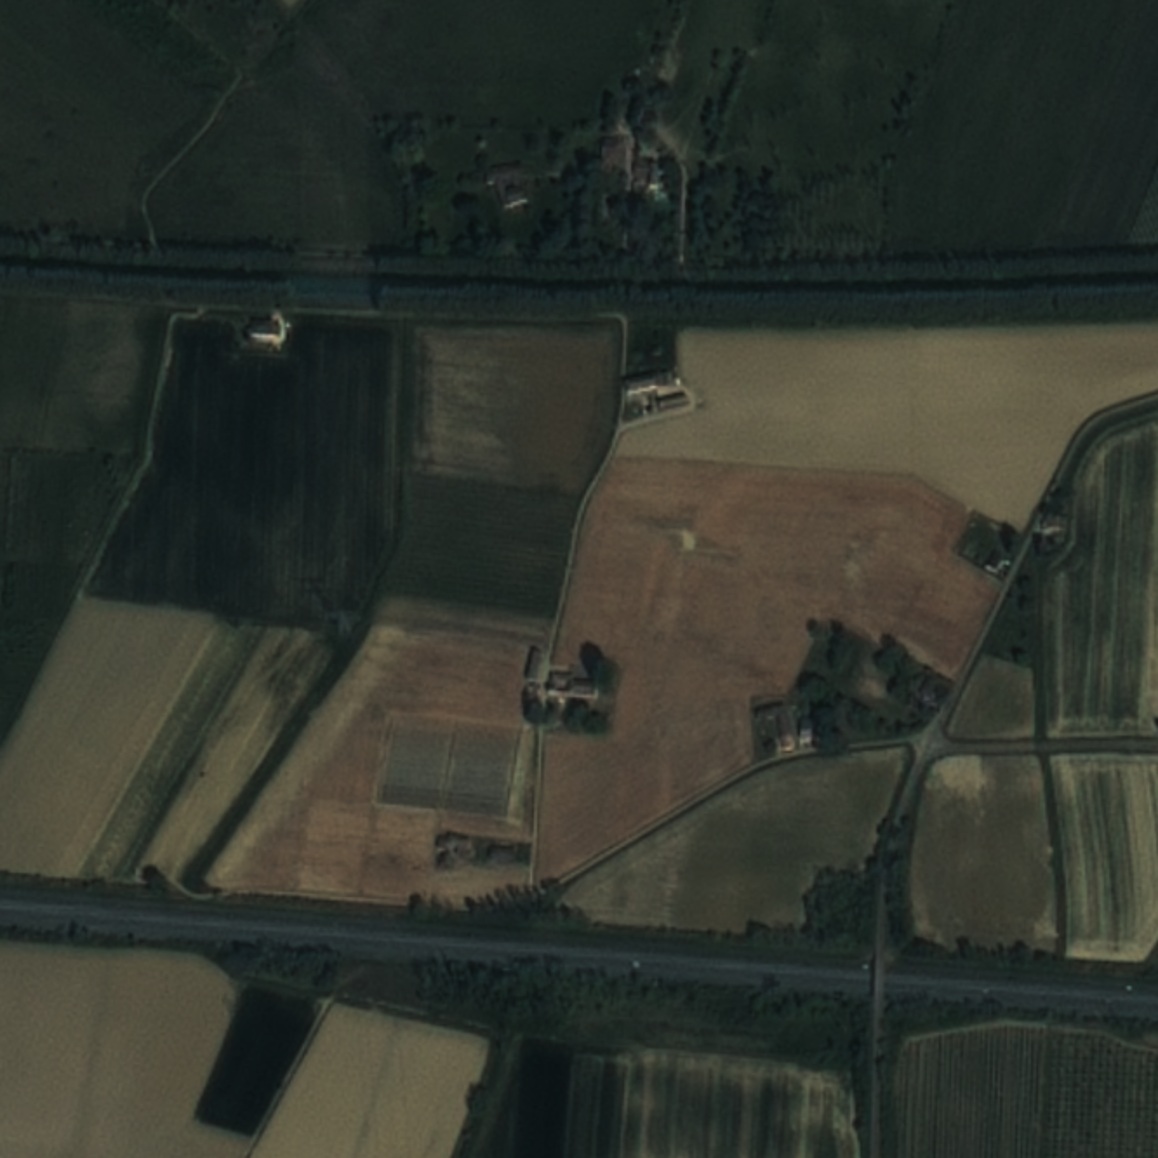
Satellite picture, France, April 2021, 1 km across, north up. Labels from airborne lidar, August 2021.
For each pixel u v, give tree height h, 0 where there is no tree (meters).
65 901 0
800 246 20
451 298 28
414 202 10
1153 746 0
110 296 22
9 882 7
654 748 0
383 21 0
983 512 0
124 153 0
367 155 0
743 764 0
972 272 22
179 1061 0
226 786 0
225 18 0
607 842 0
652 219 25
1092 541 0
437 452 0
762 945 15
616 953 0
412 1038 0
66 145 0
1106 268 23
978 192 0
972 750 0
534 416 0
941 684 7
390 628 0
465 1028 0
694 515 0
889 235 9
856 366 0
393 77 0
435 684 0
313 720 0
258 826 0
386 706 0
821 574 0
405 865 0
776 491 0
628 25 0
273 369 0
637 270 21
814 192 20
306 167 0
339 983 18
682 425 0
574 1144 0
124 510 0
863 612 0
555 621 0
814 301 29
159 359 0
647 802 0
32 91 0
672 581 0
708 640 0
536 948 0
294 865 0
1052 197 0
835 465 0
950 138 0
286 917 0
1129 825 0
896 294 19
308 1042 0
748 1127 0
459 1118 0
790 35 0
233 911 0
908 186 0
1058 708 0
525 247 7
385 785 0
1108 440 0
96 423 0
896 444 0
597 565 0
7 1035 0
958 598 0
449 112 0
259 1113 0
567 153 24
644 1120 0
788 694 0
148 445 0
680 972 0
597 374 0
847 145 0
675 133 0
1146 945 0
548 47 0
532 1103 0
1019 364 0
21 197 0
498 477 0
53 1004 0
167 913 0
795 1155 0
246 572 0
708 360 0
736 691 0
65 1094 0
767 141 0
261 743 0
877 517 0
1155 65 0
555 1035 0
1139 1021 7
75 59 0
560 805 0
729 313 26
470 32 0
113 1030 0
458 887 0
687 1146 0
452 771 0
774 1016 6
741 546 0
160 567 0
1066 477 0
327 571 0
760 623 0
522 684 0
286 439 0
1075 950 0
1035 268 22
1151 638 0
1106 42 0
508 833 0
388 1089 0
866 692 0
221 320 0
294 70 0
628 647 0
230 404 0
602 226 8
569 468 0
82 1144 0
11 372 0
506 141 0
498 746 0
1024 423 0
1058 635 0
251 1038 0
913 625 0
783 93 0
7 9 0
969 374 0
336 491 0
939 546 0
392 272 22
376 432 0
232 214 0
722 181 10
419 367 0
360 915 0
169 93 0
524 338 0
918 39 0
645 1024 0
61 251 12
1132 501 0
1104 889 0
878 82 0
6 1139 0
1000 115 0
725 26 0
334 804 0
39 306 0
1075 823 0
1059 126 0
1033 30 0
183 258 20
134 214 0
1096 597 0
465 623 0
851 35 0
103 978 0
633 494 0
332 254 5
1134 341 0
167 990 0
